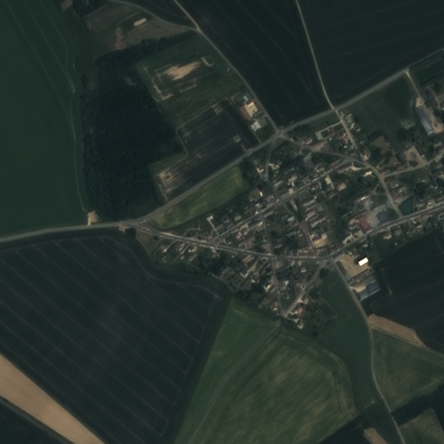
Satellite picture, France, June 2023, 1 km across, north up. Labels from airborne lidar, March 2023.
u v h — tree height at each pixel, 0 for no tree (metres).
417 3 0
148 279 0
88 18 0
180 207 0
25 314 0
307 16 0
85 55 0
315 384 0
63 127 0
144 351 0
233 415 0
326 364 0
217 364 0
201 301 0
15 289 0
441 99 0
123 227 0
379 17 0
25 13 0
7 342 0
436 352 0
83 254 0
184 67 0
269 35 0
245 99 0
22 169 0
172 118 0
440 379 0
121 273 0
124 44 0
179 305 0
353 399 0
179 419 0
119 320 0
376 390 0
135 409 0
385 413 0
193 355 0
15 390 0
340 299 0
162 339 0
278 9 0
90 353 0
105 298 0
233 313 0
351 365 0
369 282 0
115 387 0
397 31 0
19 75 0
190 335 0
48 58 0
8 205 0
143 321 0
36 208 0
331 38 0
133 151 17
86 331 0
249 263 6
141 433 0
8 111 0
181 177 0
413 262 0
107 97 11
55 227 0
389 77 0
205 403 0
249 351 0
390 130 0
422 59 0
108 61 12
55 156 0
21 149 0
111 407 0
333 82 0
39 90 0
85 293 0
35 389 0
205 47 0
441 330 0
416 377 0
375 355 0
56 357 0
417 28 0
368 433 0
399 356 0
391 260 0
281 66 0
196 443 0
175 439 0
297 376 0
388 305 0
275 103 0
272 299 0
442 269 0
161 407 0
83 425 0
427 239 0
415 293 0
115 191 21
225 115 0
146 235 0
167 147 8
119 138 20
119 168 19
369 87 0
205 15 0
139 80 11
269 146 6
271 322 0
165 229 0
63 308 0
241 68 0
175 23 0
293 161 8
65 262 0
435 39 0
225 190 0
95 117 8
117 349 0
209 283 0
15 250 0
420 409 17
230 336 0
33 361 0
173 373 0
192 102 0
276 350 0
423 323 0
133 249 0
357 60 0
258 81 0
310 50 0
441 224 14
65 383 0
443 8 0
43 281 0
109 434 0
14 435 0
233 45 0
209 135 0
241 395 0
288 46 0
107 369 0
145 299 0
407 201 0
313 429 0
